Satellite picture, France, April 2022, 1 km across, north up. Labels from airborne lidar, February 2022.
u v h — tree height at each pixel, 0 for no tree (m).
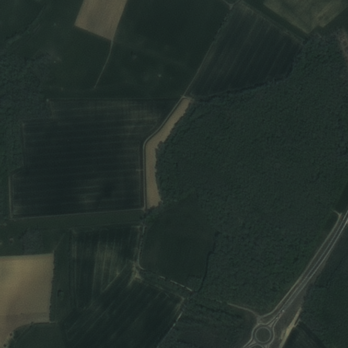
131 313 0
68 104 0
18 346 0
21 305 0
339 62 20
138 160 0
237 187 19
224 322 28
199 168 18
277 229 22
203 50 0
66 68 0
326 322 17
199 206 0
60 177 0
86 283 0
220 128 24
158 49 0
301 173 22
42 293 0
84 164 0
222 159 20
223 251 29
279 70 0
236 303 21
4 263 0
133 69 0
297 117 20
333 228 0
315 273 0
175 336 26
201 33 0
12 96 31
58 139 0
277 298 26
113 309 0
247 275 26
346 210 0
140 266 0
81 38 0
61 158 0
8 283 0
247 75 0
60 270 0
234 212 26
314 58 22
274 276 31
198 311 28
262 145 23
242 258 32
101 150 0
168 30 0
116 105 0
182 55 0
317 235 12
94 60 0
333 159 21
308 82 22
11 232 0
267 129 23
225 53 0
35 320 0
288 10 0
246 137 18
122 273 0
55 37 0
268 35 0
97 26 0
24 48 0
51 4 0
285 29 0
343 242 0
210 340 0
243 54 0
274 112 25
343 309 13
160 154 22
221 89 0
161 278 13
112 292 0
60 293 14
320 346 0
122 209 0
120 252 0
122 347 0
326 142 25
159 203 0
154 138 0
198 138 25
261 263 27
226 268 29
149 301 0
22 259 0
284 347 0
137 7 0
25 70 25
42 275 0
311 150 21
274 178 21
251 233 25
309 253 15
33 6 0
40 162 0
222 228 25
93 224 0
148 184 0
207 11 0
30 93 28
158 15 0
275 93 24
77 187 0
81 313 0
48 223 0
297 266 22
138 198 0
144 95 0
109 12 0
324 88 24
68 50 0
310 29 0
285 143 22
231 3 0
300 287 0
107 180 0
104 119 0
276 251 23
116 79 0
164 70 0
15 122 21
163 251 0
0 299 0
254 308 24
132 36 0
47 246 0
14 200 0
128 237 0
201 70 0
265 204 23
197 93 0
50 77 17
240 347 0
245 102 22
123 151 0
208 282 18
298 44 0
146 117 0
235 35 0
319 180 15
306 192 19
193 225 0
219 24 0
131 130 0
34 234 20
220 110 22
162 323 0
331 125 21
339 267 6
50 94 0
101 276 0
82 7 0
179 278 0
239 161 23
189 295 13
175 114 0
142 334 0
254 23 0
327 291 13
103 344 0
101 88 0
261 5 0
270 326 0
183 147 25
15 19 0
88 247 0
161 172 22
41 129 0
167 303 0
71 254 10
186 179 19
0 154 21
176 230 0
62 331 0
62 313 0
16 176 0
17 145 22
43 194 0
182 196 16
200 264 0
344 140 17
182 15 0
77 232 0
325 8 0
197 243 0
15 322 0
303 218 17
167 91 0
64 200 0
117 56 0
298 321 0
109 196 0
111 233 0
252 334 0
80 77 0
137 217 0
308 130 23
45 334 0
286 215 18
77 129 0
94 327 0
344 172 19
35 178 0
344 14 0
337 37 19
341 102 26
